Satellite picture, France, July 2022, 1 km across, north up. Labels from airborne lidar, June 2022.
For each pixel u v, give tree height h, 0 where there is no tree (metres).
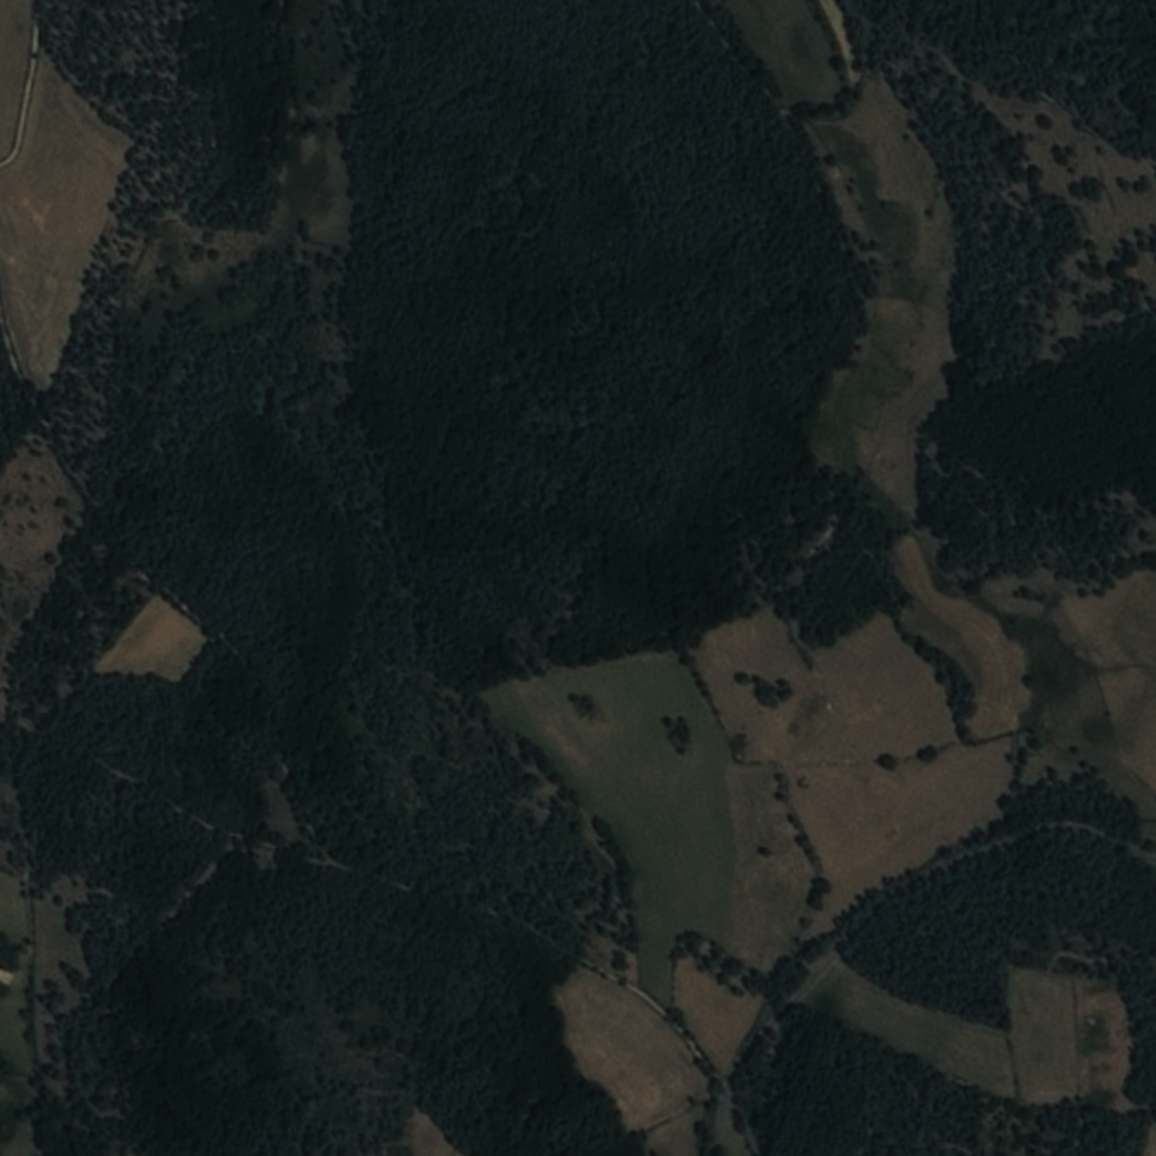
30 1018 8
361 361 12
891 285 0
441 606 16
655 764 0
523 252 12
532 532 15
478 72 16
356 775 22
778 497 14
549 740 0
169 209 16
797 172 20
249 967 6
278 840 14
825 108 11
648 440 13
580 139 18
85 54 19
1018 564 17
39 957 0
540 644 12
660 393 15
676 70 19
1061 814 14
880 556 11
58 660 15
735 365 17
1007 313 17
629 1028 0
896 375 0
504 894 11
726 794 0
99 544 7
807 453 15
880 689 0
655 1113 0
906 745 0
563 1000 0
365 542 6
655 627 19
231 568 17
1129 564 16
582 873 15
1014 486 15
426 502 17
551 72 17
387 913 9
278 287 9
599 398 8
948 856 17
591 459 12
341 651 15
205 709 9
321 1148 11
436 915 11
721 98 25
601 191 16
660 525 21
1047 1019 0
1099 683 0
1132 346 11
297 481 10
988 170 16
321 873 13
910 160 0
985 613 0
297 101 12
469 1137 16
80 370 11
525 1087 18
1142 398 12
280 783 10
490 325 17
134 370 19
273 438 15
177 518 17
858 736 0
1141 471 9
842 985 0
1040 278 18
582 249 15
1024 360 17
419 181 18
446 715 13
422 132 13
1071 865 16
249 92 15
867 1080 17
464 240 15
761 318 13
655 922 0
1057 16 13
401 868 16
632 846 0
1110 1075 0
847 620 18
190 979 7
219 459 13
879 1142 14
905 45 15
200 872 13
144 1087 13
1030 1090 0
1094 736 0
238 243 0
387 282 16
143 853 14
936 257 0
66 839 12
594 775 0
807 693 0
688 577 20
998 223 10
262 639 9
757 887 0
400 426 13
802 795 0
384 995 9
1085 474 13
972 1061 0
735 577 12
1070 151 8
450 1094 14
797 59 0
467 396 14
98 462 20
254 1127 7
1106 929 15
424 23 15
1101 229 0
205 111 16
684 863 0
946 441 10
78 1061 15
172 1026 11
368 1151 10
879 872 0
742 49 14
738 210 19
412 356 14
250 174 15
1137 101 11
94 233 0
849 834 0
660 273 20
